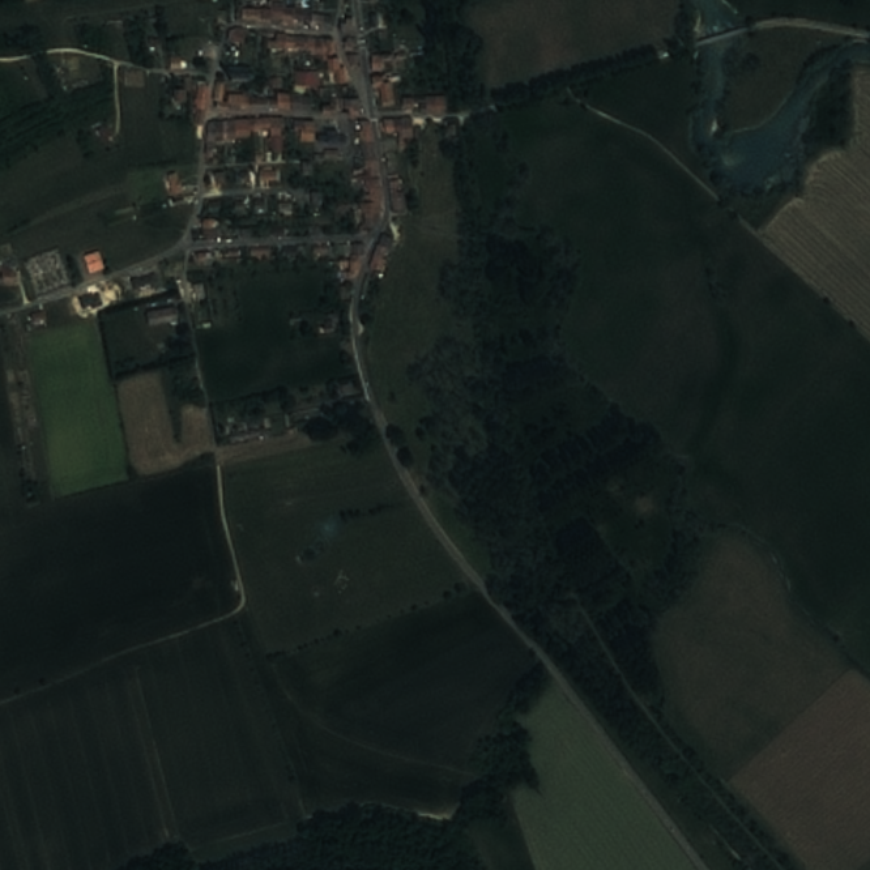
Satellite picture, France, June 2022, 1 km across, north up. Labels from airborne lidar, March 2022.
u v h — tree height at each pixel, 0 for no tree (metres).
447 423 23
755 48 0
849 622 0
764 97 0
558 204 0
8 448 0
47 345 0
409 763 0
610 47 0
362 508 0
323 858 15
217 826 0
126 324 0
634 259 0
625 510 0
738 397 0
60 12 0
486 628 0
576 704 0
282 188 0
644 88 0
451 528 0
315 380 0
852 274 0
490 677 0
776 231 0
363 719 0
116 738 0
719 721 0
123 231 0
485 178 0
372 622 0
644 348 0
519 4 0
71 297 0
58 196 0
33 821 0
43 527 0
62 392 0
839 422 0
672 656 0
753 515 0
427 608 0
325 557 0
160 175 0
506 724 7
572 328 0
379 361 0
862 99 0
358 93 0
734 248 0
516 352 0
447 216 0
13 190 0
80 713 0
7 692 0
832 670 0
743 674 0
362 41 0
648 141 0
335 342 0
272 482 0
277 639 0
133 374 9
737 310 0
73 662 0
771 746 0
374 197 0
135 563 0
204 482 0
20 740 0
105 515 0
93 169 0
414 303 0
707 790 7
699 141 0
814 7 0
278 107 0
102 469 0
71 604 0
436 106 0
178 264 0
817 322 0
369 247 0
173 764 0
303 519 0
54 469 0
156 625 0
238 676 0
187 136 0
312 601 0
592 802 0
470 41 21
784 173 0
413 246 0
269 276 0
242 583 0
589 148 0
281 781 0
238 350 0
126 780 0
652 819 0
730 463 0
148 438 0
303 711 0
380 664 0
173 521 0
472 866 7
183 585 0
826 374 0
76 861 0
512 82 0
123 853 0
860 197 0
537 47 0
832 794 0
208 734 0
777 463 0
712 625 0
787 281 0
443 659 0
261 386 0
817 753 0
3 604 0
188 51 0
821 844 0
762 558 0
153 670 0
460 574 0
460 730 0
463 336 0
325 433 21
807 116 0
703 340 0
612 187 0
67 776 0
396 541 0
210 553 0
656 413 0
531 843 0
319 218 0
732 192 13
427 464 0
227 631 0
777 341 0
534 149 0
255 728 0
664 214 0
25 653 0
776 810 0
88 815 0
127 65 0
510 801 0
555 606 22
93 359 0
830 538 0
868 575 0
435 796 0
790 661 0
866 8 0
